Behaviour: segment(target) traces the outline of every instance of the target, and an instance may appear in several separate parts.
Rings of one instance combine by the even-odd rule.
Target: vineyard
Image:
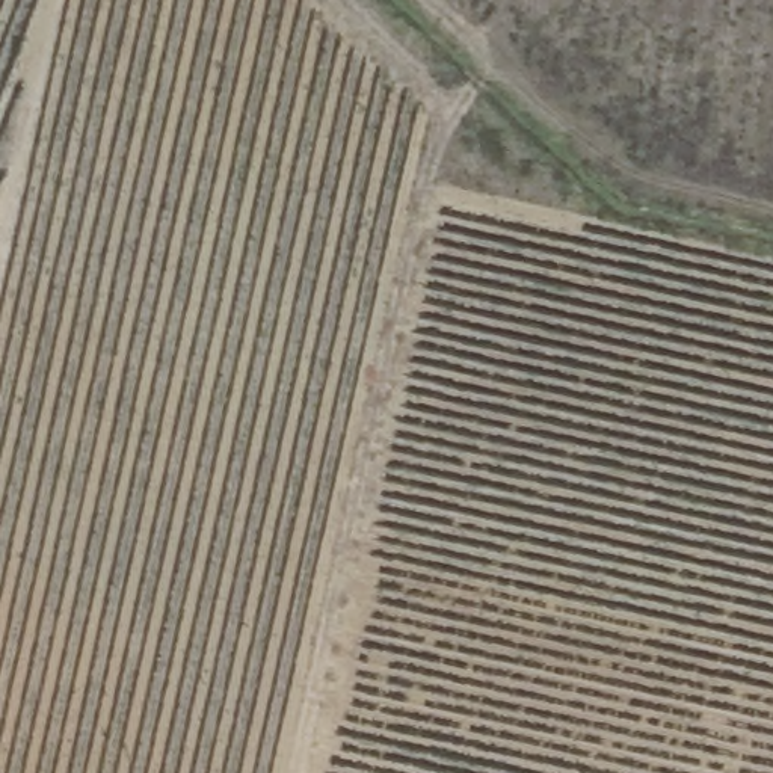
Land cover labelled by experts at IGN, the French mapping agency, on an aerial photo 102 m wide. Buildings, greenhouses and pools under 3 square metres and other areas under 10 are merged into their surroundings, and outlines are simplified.
[[[471,54],[483,75],[489,75],[510,97],[516,97],[516,103],[525,112],[531,112],[547,130],[565,133],[568,145],[574,145],[589,160],[607,157],[625,181],[655,187],[661,196],[740,205],[746,211],[773,217],[773,0],[414,0],[435,24],[441,24],[441,30],[447,30]]]
[[[305,0],[0,0],[0,773],[773,773],[773,254],[728,248],[722,242],[634,226],[598,214],[565,211],[565,202],[556,193],[553,172],[547,166],[537,166],[528,178],[504,175],[483,154],[462,148],[462,142],[456,139],[456,127],[444,118],[426,121],[411,91],[393,88],[390,72],[383,66],[365,63],[353,51],[347,57],[338,57],[341,33],[329,30],[323,12],[308,9]]]

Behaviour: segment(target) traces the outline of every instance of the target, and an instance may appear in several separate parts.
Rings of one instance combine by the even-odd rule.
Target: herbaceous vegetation
[[[589,160],[574,145],[568,145],[565,133],[547,130],[531,112],[525,112],[516,103],[516,97],[510,97],[489,75],[483,75],[471,54],[447,30],[441,30],[441,24],[435,24],[414,0],[368,0],[387,18],[390,33],[414,57],[429,63],[429,75],[438,88],[474,88],[477,100],[456,127],[456,139],[462,142],[462,148],[483,154],[504,175],[528,178],[537,166],[547,166],[553,172],[556,193],[565,202],[565,211],[598,214],[634,226],[722,242],[728,248],[773,254],[773,217],[746,211],[740,205],[661,196],[655,187],[625,181],[607,157]]]

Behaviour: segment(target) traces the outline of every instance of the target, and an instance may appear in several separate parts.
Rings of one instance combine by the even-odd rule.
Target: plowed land
[[[444,118],[456,127],[477,100],[474,88],[438,88],[429,75],[429,63],[414,57],[390,33],[387,18],[368,0],[305,0],[308,9],[323,12],[329,30],[341,33],[338,57],[347,57],[353,51],[365,63],[383,66],[390,72],[393,88],[411,91],[426,121]]]

